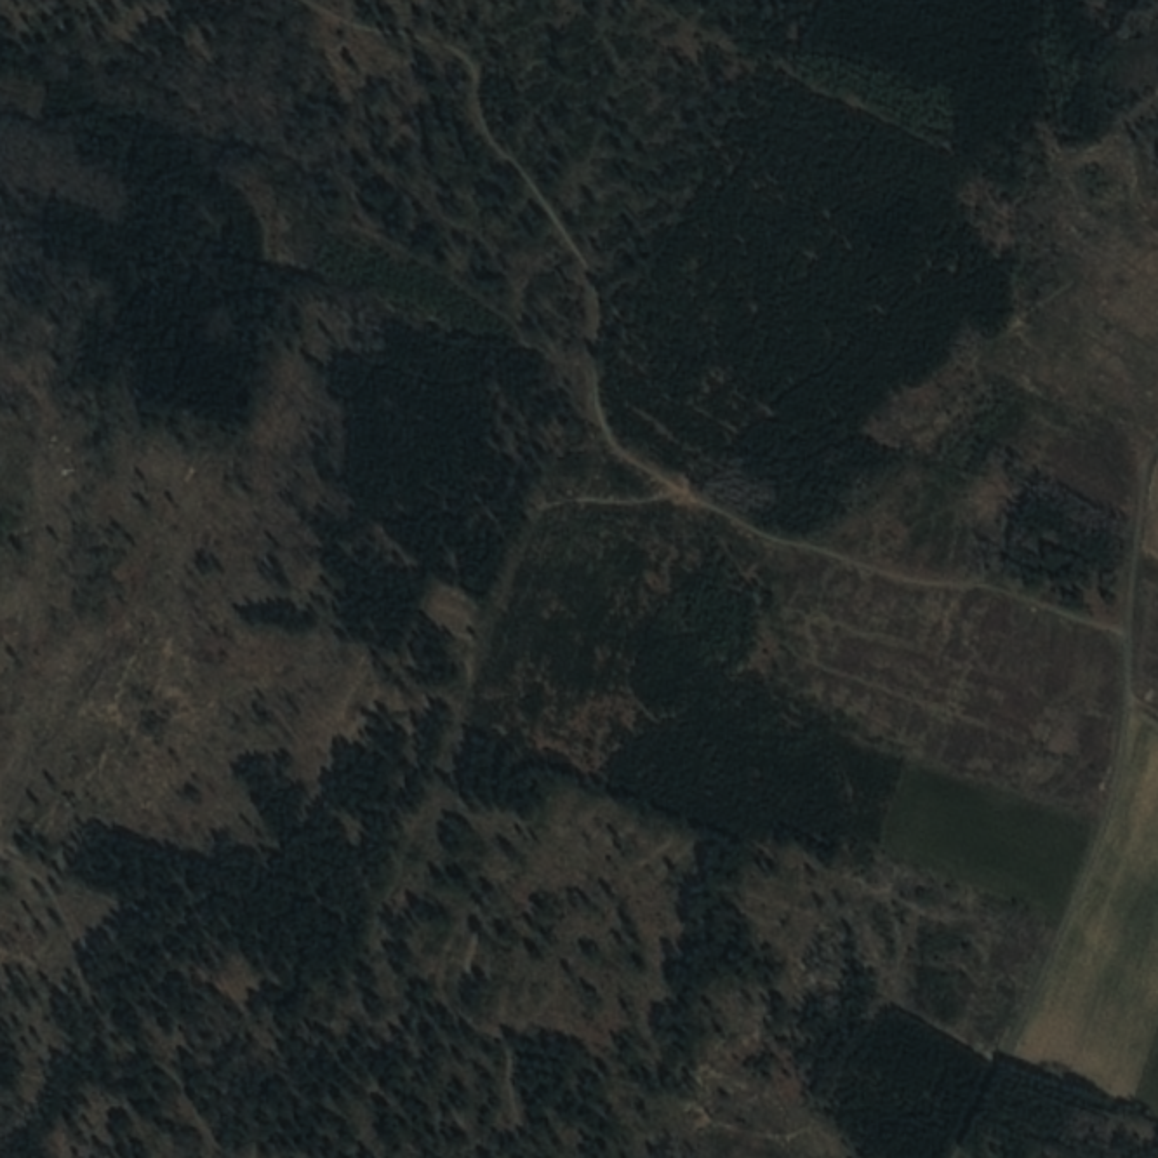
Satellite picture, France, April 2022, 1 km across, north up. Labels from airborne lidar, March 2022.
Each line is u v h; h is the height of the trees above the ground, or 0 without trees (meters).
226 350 20
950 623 0
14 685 0
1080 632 0
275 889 23
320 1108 19
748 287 8
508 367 14
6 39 19
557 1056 29
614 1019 0
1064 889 0
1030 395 0
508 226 33
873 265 11
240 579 0
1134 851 0
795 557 0
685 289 8
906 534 0
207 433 26
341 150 19
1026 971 0
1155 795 0
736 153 8
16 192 23
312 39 24
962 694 0
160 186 20
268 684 0
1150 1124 19
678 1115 0
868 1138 8
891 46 17
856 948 7
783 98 11
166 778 0
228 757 0
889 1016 13
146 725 8
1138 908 0
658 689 9
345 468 15
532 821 28
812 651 0
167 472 0
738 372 10
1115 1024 0
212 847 11
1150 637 0
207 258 17
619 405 7
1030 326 8
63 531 0
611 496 22
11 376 0
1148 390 26
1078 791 0
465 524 16
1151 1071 0
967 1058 13
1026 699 0
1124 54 8
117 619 0
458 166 6
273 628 24
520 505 22
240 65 23
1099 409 30
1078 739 0
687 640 9
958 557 0
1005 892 0
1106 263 0
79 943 0
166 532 0
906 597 0
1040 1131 26
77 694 0
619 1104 0
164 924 29
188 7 25
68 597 0
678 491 0
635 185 26
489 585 16
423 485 16
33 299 27
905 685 0
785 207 7
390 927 21
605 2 16
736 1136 0
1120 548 25
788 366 7
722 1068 0
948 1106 14
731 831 11
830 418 11
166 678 0
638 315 8
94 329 20
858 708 0
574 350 21
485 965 0
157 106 16
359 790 24
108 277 15
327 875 25
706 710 9
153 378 16
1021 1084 28
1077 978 0
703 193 9
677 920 0
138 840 19
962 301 14
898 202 11
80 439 24
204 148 19
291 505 17
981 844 0
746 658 8
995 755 0
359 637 22
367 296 15
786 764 8
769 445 13
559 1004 0
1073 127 15
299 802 19
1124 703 0
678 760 10
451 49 18
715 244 10
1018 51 18
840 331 12
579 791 16
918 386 8
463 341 17
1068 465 0
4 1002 21
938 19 18
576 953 0
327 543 17
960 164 8
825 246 10
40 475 0
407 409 16
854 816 6
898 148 12
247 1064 20
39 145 28
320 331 0
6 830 0
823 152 11
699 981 37
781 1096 0
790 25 10
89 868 24
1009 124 15
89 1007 33
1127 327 0
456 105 9
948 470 8
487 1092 11
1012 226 8
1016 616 0
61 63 28
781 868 19
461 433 15
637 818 16
